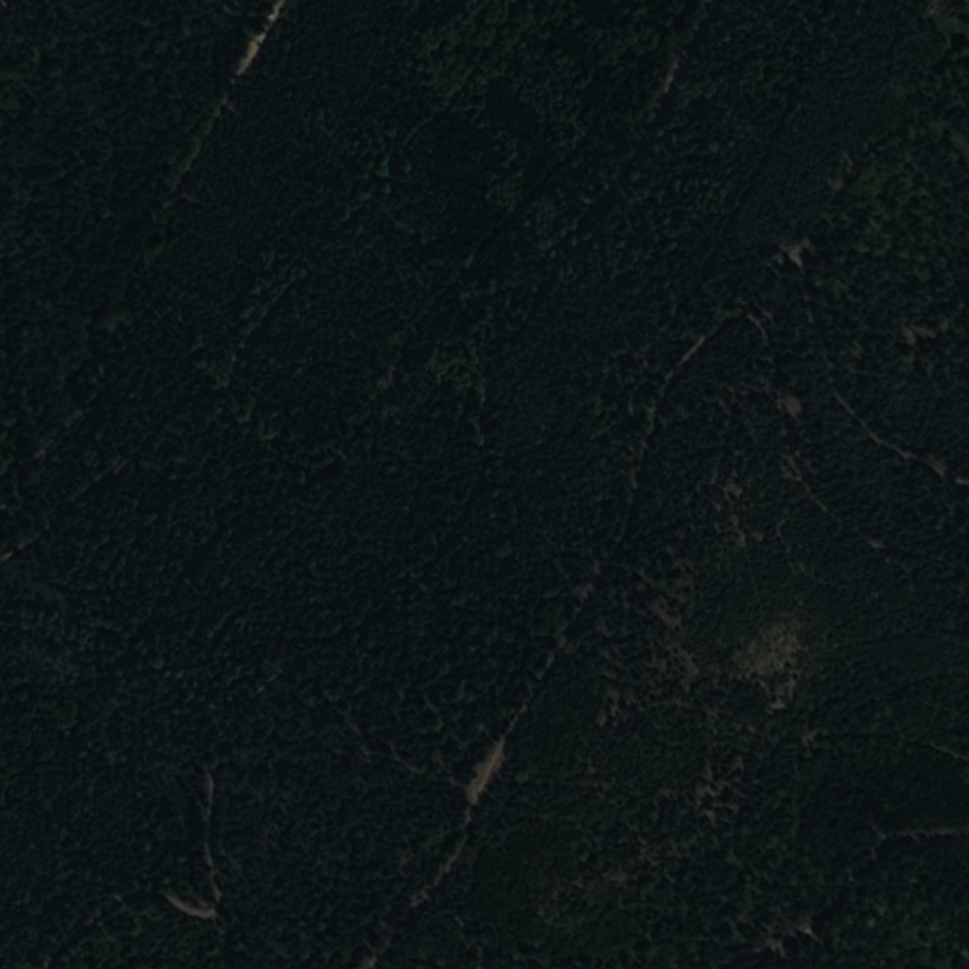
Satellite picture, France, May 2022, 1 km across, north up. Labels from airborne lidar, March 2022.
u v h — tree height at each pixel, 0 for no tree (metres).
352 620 26
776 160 21
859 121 12
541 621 22
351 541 21
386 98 5
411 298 29
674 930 21
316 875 10
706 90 24
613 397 8
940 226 30
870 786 18
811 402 17
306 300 22
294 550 27
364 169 14
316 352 25
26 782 24
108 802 22
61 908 16
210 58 13
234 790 24
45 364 30
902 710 12
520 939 8
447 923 15
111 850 20
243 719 19
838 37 23
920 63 14
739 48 23
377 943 20
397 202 26
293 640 23
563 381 25
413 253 12
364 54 11
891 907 25
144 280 13
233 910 9
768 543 12
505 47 24
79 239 33
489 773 0
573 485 23
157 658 25
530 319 21
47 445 37
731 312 21
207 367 32
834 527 14
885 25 25
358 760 20
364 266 25
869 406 13
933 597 11
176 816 25
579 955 8
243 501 8
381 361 25
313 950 16
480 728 11
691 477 18
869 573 7
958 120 34
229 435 29
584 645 20
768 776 12
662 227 29
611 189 0
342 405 33
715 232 23
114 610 24
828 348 20
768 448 17
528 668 21
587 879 10
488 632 19
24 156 21
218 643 33
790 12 26
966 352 29
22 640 29
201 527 23
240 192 9
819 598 12
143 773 21
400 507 24
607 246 23
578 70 22
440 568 20
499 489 19
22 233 36
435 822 16
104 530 25
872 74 16
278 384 26
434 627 25
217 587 24
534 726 13
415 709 20
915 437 23
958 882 18
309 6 12
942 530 11
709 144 26
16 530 27
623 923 8
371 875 9
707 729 10
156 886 20
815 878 22
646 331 21
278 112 10
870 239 27
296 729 24
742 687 10
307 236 8
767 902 19
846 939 21
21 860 24
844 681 12
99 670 29
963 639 18
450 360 26
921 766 16
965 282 33
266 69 9
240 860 23
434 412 18
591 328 22
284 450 12
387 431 26
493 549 23
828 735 9
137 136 31
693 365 7
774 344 15
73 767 26
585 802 8
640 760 6
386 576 28
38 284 35
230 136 10
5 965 19
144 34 40
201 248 8
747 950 9
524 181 11
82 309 33
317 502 27
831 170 18
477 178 12
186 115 11
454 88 21
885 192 24
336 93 10
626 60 27
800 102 25
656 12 13
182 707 27
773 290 25
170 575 25
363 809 9
